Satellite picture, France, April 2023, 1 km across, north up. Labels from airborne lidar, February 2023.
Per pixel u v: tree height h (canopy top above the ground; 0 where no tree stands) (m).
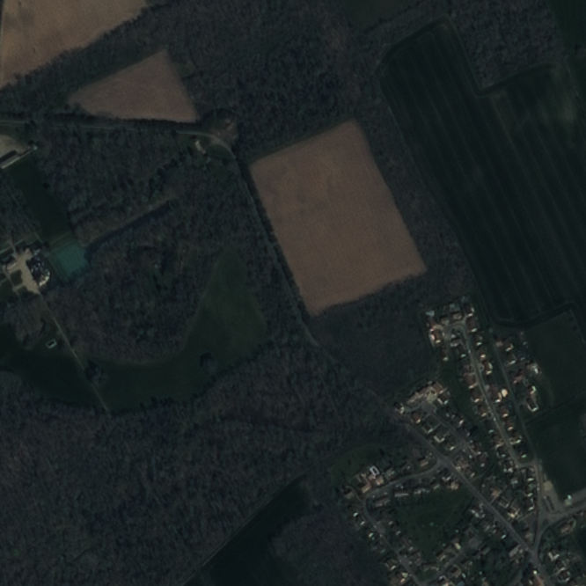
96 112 0
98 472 20
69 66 18
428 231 13
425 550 0
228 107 18
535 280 0
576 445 0
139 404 0
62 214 0
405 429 16
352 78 14
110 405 0
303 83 18
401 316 14
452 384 0
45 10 0
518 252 0
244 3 18
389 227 0
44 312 26
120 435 25
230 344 0
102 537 22
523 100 0
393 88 0
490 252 0
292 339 16
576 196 0
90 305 24
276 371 25
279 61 14
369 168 0
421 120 0
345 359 15
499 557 11
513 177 0
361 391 26
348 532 20
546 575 0
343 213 0
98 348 28
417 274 0
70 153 20
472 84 0
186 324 20
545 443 0
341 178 0
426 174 0
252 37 16
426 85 0
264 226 13
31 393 19
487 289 0
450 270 13
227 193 19
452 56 0
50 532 19
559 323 0
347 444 9
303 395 29
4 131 0
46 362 0
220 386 21
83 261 0
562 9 0
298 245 0
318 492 17
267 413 28
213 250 10
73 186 11
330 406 22
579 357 0
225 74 12
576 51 9
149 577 24
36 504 26
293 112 22
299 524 17
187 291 17
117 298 27
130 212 25
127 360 25
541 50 16
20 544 24
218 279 0
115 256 24
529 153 0
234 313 0
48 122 15
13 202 24
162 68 0
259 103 23
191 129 12
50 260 0
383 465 0
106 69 14
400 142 13
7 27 0
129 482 24
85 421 29
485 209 0
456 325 0
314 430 8
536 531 0
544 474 0
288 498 0
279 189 0
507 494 5
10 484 33
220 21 16
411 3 0
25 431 26
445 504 0
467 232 0
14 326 28
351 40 11
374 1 0
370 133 10
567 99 0
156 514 31
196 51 17
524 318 0
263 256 15
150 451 26
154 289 0
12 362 0
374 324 11
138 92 0
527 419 0
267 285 18
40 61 0
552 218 0
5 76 0
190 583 0
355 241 0
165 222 15
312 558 14
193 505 27
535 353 0
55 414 26
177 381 0
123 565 21
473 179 0
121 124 10
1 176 21
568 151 0
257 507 15
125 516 27
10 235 23
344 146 0
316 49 16
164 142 22
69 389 0
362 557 18
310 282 0
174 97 0
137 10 0
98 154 19
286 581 0
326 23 16
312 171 0
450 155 0
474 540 0
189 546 27
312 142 0
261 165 0
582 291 0
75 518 26
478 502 0
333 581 16
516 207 0
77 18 0
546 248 0
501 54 15
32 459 10
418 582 0
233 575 0
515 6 23
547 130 0
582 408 0
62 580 8
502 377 0
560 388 0
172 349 12
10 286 0
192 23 20
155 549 22
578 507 0
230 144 0
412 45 0
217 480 22
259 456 19
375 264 0
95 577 10
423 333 9
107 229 27
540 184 0
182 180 25
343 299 0
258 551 0
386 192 0
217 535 25
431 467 0
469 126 0
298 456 13
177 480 24
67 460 27
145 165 24
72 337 14
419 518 0
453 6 20
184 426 19
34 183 0
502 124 0
